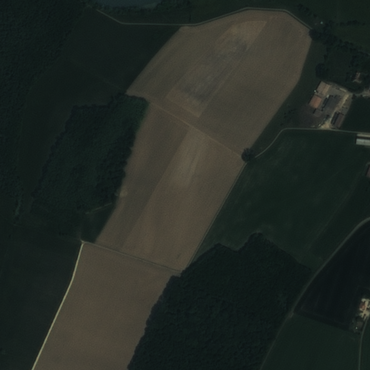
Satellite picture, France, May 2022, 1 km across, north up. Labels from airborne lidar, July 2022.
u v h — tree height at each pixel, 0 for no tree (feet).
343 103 0
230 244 0
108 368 0
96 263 0
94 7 45
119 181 80
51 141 0
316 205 0
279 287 48
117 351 0
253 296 49
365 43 0
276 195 0
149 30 0
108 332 0
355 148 0
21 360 0
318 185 0
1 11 52
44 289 0
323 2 0
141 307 0
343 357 0
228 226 0
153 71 0
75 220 17
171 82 0
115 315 0
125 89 0
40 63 50
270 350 0
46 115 0
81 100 0
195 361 58
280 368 0
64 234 37
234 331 98
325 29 49
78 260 0
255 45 0
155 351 63
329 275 0
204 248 0
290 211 0
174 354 66
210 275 52
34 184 0
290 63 0
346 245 0
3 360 0
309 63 0
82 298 0
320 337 0
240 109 0
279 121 0
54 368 0
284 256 47
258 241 50
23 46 42
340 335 0
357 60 68
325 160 0
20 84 51
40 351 0
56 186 59
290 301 45
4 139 48
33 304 0
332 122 0
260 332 80
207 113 0
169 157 0
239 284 43
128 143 62
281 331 0
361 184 0
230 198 0
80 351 0
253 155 49
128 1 0
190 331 93
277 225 0
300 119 0
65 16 47
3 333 0
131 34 0
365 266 0
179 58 0
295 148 0
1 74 46
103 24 0
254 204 0
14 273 0
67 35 47
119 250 0
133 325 0
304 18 0
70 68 0
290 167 0
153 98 0
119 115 71
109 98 0
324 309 0
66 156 62
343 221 0
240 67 0
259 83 0
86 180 62
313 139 0
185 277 50
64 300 0
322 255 0
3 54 52
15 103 50
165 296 66
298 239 0
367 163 0
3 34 48
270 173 0
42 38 53
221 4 0
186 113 0
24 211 44
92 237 0
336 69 0
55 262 0
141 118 75
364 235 0
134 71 0
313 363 0
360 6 0
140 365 64
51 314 0
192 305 69
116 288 0
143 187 0
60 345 0
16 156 44
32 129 0
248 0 0
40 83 0
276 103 0
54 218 20
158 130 0
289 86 0
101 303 0
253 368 76
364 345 0
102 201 36
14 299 0
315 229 0
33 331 0
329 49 41
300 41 0
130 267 0
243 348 80
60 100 0
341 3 0
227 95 0
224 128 0
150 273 0
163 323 82
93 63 0
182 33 0
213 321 91
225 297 43
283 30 0
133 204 0
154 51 0
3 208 0
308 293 0
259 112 0
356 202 0
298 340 0
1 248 0
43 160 0
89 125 54
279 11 0
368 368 0
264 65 0
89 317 0
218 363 62
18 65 45
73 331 0
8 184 43
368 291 0
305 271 51
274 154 0
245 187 0
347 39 0
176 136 0
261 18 0
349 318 0
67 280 0
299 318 0
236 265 48
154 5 0
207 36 0
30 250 0
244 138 0
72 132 60
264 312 44
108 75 0
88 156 68
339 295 0
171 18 0
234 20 0
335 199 0
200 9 0
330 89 0
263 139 0
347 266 0
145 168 0
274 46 0
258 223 0
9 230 0
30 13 48
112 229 0
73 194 73
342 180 0
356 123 0
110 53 0
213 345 85
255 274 41
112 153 75
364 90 0
